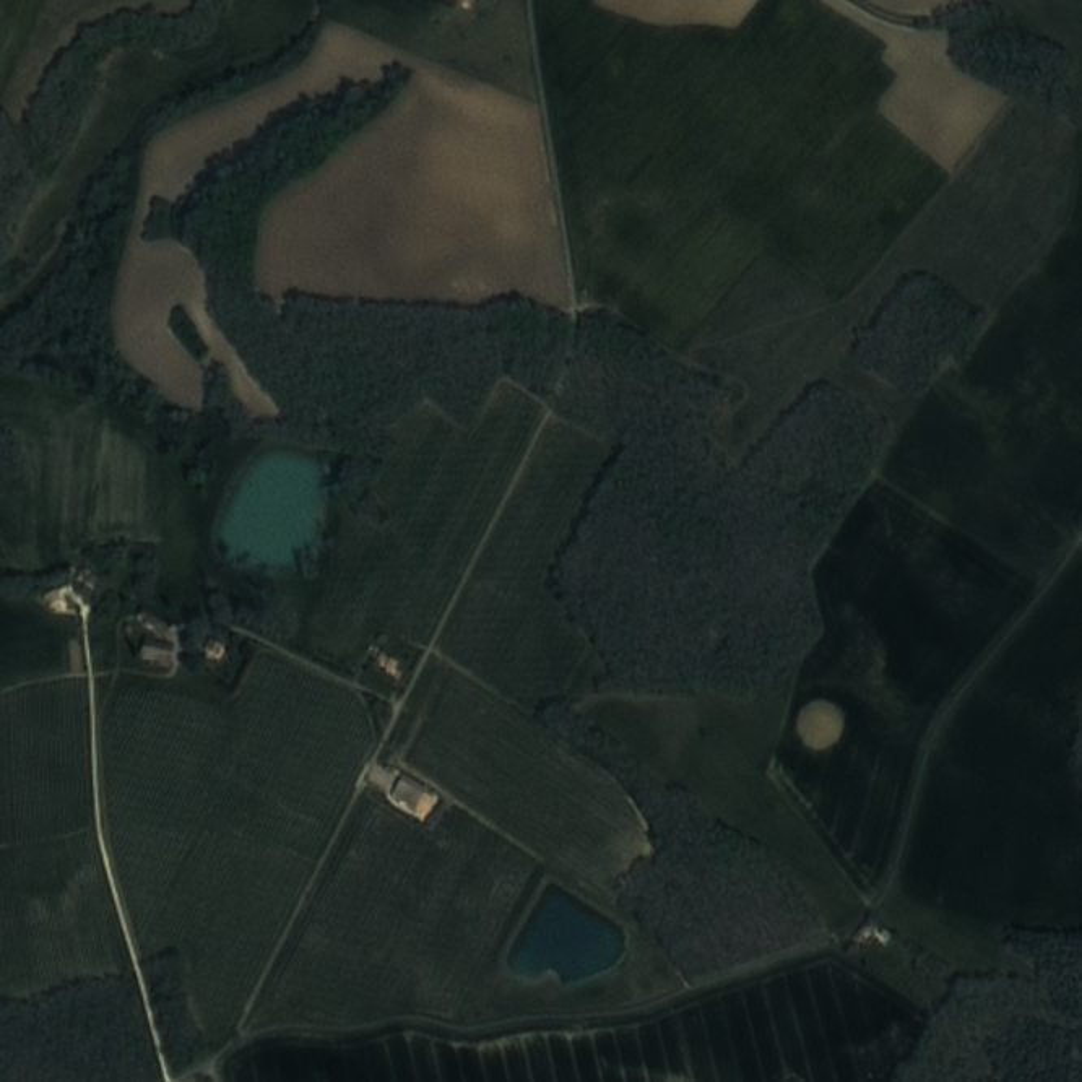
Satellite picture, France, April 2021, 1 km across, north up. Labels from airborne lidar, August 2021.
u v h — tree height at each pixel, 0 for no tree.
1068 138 0
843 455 19
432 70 0
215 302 19
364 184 0
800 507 19
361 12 0
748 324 0
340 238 0
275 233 0
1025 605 0
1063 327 0
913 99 0
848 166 0
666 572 18
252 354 19
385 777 0
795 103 0
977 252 0
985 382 0
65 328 10
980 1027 22
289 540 0
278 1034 0
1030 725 0
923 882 0
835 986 0
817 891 0
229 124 0
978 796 0
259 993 0
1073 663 0
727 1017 0
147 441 0
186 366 0
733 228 0
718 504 19
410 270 0
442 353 18
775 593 18
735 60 0
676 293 0
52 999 14
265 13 0
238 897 0
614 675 13
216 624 18
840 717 0
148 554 7
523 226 0
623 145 0
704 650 20
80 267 10
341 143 16
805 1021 0
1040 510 0
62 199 0
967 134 0
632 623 17
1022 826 0
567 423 13
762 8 0
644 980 0
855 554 0
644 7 0
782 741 0
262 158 20
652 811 16
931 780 0
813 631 15
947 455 0
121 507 0
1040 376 0
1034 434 0
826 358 0
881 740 0
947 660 0
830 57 0
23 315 17
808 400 13
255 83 8
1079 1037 17
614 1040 0
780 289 0
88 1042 17
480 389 20
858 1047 0
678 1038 0
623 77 0
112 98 0
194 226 16
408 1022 0
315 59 0
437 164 0
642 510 18
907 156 0
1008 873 0
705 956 17
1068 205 0
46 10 0
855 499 16
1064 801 0
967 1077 16
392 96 7
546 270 0
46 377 31
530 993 0
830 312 0
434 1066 0
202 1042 14
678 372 18
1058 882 0
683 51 0
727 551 18
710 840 21
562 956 0
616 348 18
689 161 0
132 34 18
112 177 6
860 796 0
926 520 0
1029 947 14
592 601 17
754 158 0
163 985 13
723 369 0
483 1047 0
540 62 0
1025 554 0
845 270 0
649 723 0
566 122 0
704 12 0
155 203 7
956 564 0
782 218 0
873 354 17
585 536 16
